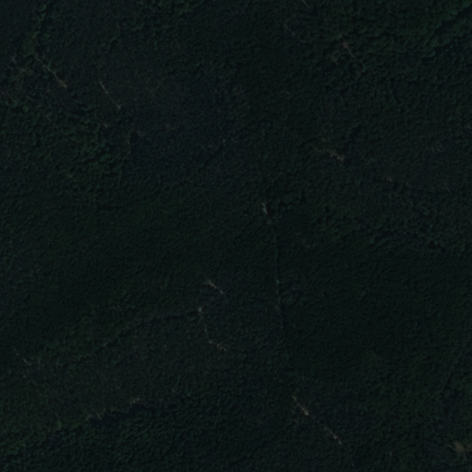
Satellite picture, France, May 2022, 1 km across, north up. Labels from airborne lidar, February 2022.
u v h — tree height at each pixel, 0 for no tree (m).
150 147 28
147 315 25
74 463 24
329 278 29
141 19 11
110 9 24
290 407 22
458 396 27
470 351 24
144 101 24
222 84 27
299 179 26
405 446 28
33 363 23
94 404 28
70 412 29
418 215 40
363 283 26
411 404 27
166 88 23
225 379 29
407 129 24
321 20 33
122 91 21
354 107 27
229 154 24
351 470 24
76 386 24
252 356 22
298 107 24
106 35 25
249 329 24
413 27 34
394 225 33
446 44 0
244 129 26
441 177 25
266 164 26
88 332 21
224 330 23
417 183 28
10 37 20
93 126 33
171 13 31
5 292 25
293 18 23
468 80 30
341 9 24
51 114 31
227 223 24
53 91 6
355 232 35
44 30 31
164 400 42
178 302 24
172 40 27
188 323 25
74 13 25
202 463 25
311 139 23
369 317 27
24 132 28
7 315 20
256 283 25
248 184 24
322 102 22
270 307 24
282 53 23
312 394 22
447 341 27
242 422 25
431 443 44
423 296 28
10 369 21
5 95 25
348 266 30
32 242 22
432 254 30
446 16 36
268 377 23
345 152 23
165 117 27
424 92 31
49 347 21
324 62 18
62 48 26
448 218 31
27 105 26
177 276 25
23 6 23
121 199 29
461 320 23
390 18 38
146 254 24
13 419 26
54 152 25
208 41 0
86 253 22
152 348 21
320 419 27
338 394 23
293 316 23
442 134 24
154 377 25
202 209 23
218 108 30
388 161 23
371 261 30
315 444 20
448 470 33
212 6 27
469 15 37
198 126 24
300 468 20
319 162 24
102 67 19
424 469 29
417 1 34
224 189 25
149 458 25
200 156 26
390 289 25
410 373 27
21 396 25
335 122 25
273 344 25
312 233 27
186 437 26
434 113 26
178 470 23
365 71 34
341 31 31
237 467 24
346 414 31
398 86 38
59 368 24
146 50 25
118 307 24
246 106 26
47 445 28
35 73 10
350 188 26
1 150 25
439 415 25
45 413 28
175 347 23
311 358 21
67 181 25
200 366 25
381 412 24
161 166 23
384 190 35
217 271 23
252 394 26
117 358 26
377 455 25
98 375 25
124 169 27
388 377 23
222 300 23
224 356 25
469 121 27
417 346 25
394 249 34
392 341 23
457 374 30
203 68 25
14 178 27
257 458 24
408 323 22
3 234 21
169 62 24
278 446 21
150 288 23
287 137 26
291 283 25
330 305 26
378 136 22
